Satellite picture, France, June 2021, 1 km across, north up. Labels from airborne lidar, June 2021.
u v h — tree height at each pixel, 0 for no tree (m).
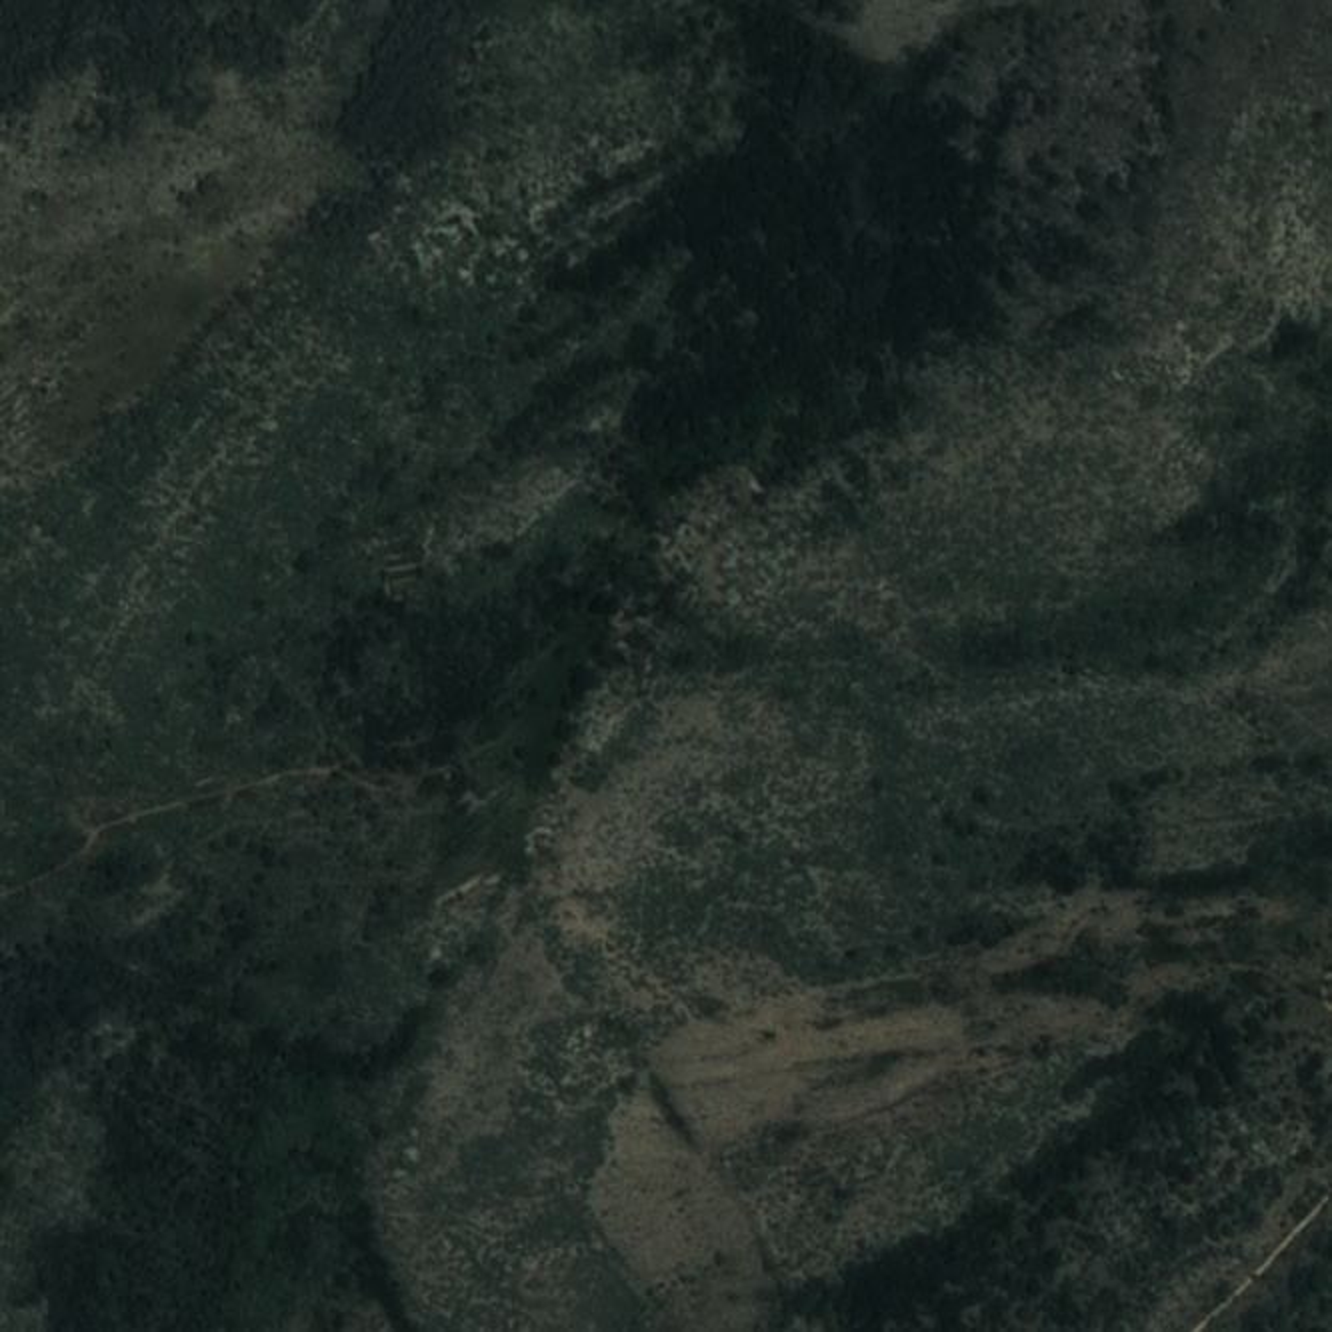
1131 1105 8
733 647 7
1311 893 0
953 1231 9
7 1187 6
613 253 7
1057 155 7
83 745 7
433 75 10
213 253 0
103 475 7
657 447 6
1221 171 0
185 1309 6
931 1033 0
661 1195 0
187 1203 9
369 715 7
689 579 6
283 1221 7
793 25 9
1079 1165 10
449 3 11
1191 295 0
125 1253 9
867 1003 0
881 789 7
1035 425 0
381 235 0
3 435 0
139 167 0
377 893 7
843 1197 9
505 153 8
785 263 10
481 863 0
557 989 0
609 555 7
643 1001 0
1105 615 6
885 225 17
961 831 7
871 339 10
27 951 13
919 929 6
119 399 0
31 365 0
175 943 7
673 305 10
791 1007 0
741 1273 0
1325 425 7
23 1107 7
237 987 8
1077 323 6
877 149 16
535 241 10
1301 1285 9
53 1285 8
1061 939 0
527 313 7
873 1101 0
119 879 13
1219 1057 12
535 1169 0
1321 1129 6
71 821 0
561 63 0
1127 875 9
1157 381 0
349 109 10
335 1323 7
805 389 7
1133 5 0
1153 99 6
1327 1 0
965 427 0
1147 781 6
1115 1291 6
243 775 0
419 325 7
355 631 8
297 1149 8
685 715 0
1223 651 5
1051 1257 12
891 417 7
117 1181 8
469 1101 0
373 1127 6
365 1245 10
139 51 8
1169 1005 7
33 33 9
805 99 12
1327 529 8
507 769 6
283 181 0
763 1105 0
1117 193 5
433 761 9
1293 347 7
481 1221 0
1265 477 6
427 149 7
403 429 0
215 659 8
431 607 6
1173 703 0
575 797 0
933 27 0
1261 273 0
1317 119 7
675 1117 0
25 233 0
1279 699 0
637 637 6
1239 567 7
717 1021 0
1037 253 8
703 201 18
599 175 6
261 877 8
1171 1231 8
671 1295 0
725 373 15
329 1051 7
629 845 0
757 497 7
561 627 10
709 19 6
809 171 12
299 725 6
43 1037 8
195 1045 9
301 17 6
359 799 7
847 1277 8
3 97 7
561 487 0
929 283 13
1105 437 0
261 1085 9
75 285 0
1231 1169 8
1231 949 0
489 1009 0
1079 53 0
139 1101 7
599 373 6
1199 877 8
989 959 0
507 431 7
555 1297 0
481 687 9
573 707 6
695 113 7
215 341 0
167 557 0
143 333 0
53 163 0
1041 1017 0
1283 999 7
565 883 0
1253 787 0
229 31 8
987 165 9
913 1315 6
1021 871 9
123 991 5
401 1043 10
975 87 0
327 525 6
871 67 9
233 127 0
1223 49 0
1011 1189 7
